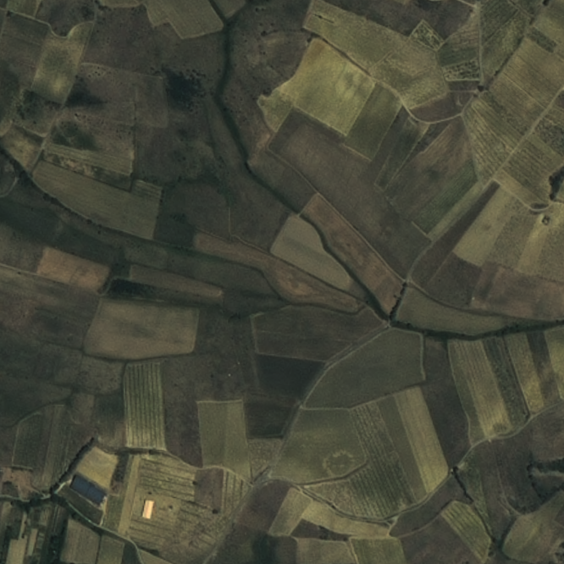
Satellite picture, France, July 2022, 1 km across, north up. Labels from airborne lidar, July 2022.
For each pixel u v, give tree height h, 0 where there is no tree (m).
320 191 0
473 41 0
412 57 0
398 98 0
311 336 0
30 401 0
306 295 0
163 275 0
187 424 0
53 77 0
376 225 0
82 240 0
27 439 0
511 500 0
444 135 0
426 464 0
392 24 0
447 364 0
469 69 0
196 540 0
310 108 0
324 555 0
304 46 0
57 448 0
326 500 0
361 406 0
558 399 0
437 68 0
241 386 0
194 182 0
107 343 0
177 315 0
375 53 0
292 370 0
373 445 0
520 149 0
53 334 0
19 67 0
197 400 0
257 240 0
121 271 0
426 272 0
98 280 0
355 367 0
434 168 0
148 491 0
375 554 0
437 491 0
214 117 0
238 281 0
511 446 0
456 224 0
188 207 0
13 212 0
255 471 0
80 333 0
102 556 0
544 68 0
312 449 0
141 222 0
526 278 0
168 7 0
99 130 0
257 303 0
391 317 10
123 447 0
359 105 0
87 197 0
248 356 0
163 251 0
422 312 0
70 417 0
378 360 0
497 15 0
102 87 0
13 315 0
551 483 0
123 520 0
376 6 0
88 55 0
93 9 0
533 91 0
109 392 0
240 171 0
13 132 0
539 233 0
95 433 0
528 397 0
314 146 0
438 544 0
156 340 0
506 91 0
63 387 0
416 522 0
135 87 0
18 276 0
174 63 0
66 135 0
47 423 0
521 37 0
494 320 0
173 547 0
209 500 0
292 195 0
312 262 0
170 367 0
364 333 0
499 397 0
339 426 0
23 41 0
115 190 0
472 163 0
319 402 0
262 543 0
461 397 0
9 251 0
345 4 0
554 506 0
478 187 0
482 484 0
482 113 0
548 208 0
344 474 0
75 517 14
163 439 0
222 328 0
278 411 0
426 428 0
